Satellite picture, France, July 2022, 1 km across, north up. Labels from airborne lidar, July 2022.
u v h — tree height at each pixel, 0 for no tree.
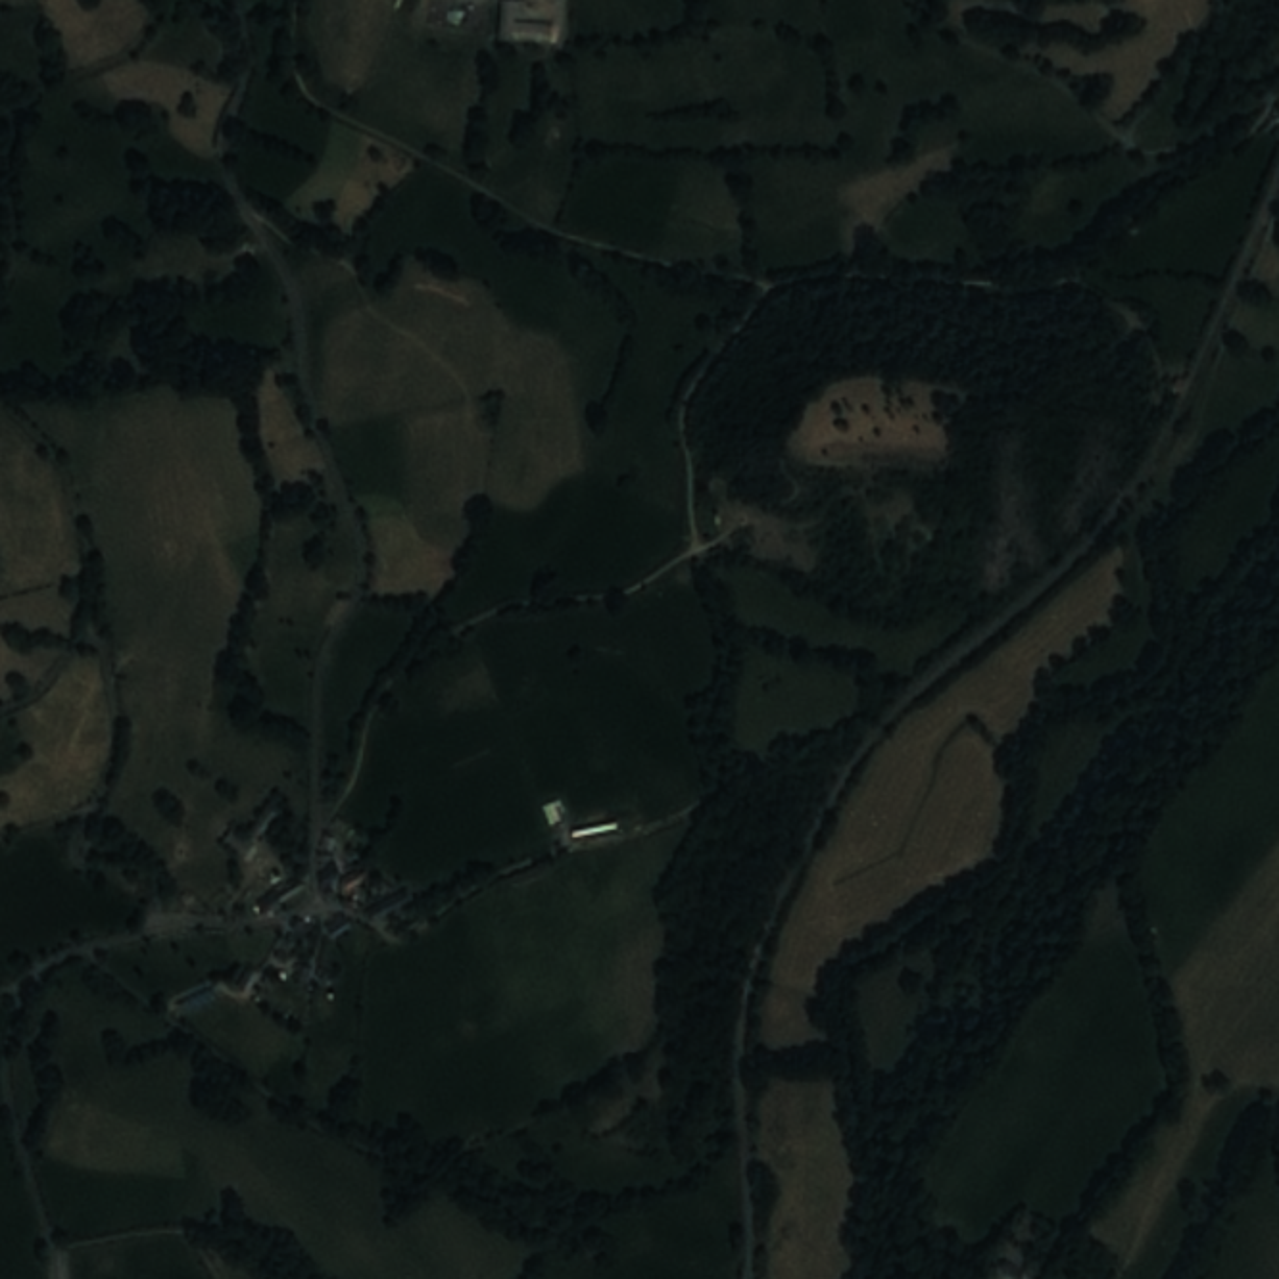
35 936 0
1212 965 0
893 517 0
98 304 11
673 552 0
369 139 0
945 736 0
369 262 16
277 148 14
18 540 0
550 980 0
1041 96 0
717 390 9
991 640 9
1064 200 0
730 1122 11
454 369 0
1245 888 0
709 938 23
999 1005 10
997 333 15
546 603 11
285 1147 0
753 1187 15
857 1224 21
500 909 0
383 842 14
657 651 0
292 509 20
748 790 11
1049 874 29
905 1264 23
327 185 0
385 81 0
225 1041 0
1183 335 0
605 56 10
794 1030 0
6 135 21
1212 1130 0
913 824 0
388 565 0
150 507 0
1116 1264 8
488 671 0
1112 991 0
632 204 0
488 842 0
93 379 24
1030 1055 0
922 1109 13
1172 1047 19
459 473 0
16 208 7
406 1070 0
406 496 0
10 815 0
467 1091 0
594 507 0
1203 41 15
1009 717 0
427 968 0
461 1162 16
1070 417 14
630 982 0
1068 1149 0
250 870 0
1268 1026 0
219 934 0
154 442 0
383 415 0
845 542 9
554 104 14
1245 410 0
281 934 11
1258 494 0
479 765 0
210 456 0
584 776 0
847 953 14
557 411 0
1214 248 0
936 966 9
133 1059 10
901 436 0
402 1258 0
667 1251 0
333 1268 0
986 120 0
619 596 14
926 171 0
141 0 10
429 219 0
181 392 17
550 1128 0
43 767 0
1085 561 7
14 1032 12
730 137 0
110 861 14
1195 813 0
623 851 0
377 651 0
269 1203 0
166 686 0
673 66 0
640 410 0
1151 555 16
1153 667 20
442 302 0
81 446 0
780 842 20
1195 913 0
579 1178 0
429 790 0
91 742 0
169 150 0
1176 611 19
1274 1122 21
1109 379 15
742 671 20
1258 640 24
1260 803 0
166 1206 0
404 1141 16
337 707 0
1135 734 10
